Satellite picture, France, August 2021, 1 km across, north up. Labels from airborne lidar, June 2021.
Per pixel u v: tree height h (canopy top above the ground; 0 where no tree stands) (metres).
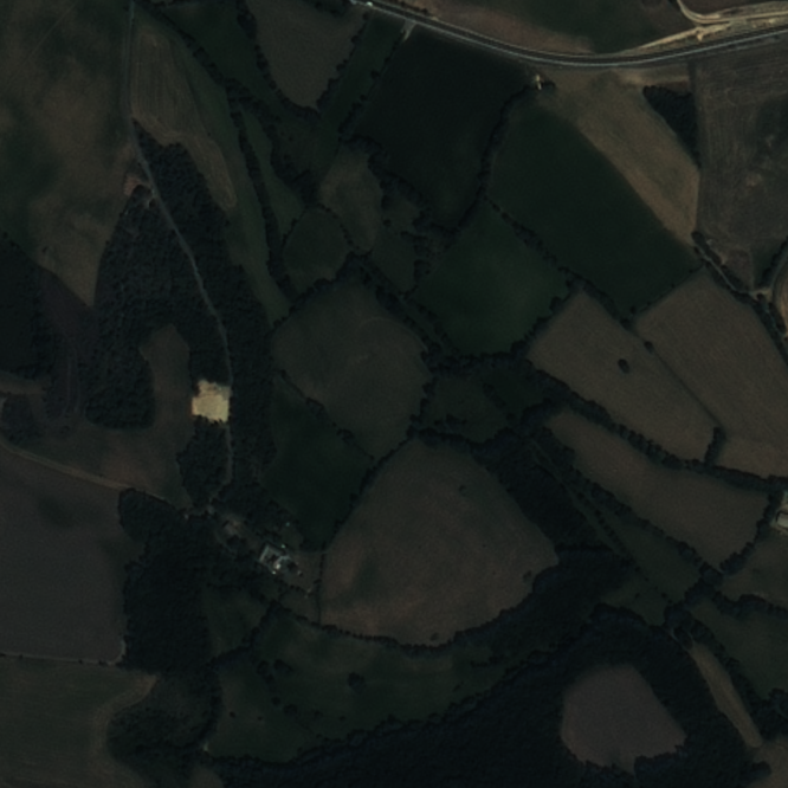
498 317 0
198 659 21
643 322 0
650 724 0
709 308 0
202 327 12
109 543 0
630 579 8
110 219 0
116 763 0
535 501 22
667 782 26
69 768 0
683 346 0
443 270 0
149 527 12
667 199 0
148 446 0
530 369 17
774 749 0
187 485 10
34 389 0
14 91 0
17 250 7
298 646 0
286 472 0
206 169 0
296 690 0
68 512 0
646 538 0
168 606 18
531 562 0
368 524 0
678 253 0
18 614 0
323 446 0
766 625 0
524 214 0
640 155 0
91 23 0
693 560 16
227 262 10
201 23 0
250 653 15
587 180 0
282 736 0
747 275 0
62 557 0
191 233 14
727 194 0
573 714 0
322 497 0
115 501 0
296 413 0
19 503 0
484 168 9
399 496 0
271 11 0
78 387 0
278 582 10
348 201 0
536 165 0
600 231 0
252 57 0
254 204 0
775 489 17
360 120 10
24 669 0
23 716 0
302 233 0
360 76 0
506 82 0
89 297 0
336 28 0
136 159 0
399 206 0
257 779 21
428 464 0
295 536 0
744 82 0
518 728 19
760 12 0
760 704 13
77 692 0
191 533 19
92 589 0
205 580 9
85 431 0
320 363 0
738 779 14
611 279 0
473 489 0
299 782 21
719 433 14
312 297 16
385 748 19
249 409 14
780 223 0
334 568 0
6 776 0
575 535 17
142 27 0
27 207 0
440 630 0
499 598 0
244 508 15
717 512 0
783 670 0
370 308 0
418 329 10
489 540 0
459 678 0
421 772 18
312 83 0
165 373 0
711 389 0
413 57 0
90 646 0
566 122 0
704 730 23
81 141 0
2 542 0
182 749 8
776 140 0
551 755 20
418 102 0
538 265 0
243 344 12
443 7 0
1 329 0
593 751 0
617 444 0
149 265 7
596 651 16
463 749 23
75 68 0
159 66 0
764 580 0
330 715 0
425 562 0
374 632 0
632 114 0
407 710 0
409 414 0
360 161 0
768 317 14
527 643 21
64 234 0
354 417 0
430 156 0
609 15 0
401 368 0
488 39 0
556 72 0
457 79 0
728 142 0
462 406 0
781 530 0
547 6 0
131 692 0
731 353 0
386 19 0
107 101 0
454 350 9
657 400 0
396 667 0
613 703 0
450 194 0
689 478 0
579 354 0
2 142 0
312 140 0
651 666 26
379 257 0
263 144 0
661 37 0
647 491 0
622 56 0
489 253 0
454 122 0
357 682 20
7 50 0
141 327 8
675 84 0
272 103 0
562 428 0
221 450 13
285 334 0
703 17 0
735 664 11
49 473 0
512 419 10
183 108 0
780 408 0
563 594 22
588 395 0
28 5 0
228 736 0
